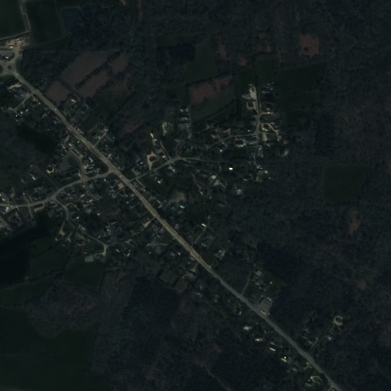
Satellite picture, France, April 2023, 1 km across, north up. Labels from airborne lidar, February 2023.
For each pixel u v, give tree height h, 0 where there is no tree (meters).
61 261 0
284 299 27
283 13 11
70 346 0
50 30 0
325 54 13
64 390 0
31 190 0
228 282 11
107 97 11
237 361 12
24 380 0
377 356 19
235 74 9
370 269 6
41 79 8
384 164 12
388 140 15
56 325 8
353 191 0
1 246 0
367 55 12
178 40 0
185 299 14
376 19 15
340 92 11
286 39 13
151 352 14
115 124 9
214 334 12
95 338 10
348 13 12
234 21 7
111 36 11
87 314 12
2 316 0
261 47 0
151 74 17
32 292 0
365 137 12
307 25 14
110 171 0
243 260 12
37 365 0
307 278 18
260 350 17
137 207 8
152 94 8
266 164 10
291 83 0
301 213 11
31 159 7
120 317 12
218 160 15
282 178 12
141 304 13
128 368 21
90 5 10
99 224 8
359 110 11
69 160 0
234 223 14
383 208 10
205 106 0
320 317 22
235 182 8
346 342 13
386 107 7
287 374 12
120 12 7
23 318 0
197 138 10
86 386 0
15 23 0
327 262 10
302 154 15
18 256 0
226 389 12
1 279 0
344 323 13
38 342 0
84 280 0
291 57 11
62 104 7
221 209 0
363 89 12
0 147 8
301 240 16
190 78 0
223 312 12
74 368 0
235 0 14
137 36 18
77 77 0
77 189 0
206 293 14
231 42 7
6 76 0
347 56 12
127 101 10
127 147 8
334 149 16
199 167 11
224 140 0
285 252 23
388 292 12
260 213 11
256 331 7
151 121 11
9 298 0
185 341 10
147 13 15
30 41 0
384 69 14
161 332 14
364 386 24
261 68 0
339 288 13
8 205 0
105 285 12
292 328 6
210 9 10
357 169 0
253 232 11
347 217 7
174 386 18
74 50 14
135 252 6
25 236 0
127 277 10
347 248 22
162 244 0
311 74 0
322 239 22
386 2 9
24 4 0
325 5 19
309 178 12
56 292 7
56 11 0
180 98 0
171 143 0
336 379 11
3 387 0
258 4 11
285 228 14
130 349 15
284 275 24
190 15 14
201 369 13
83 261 0
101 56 0
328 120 28
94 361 10
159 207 0
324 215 11
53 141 0
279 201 12
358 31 9
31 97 0
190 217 0
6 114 8
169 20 6
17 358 0
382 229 9
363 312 23
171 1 11
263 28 9
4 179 0
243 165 11
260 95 0
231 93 0
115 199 8
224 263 13
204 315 14
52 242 0
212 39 6
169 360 12
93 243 0
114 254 9
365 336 20
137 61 26
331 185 0
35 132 0
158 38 0
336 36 8
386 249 12
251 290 0
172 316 15
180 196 0
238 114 7
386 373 18
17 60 0
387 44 16
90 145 0
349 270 8
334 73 14
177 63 8
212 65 0
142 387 13
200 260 0
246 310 13
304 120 8
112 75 14
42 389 0
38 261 0
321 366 12
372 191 14
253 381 15
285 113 0
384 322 10
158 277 8
